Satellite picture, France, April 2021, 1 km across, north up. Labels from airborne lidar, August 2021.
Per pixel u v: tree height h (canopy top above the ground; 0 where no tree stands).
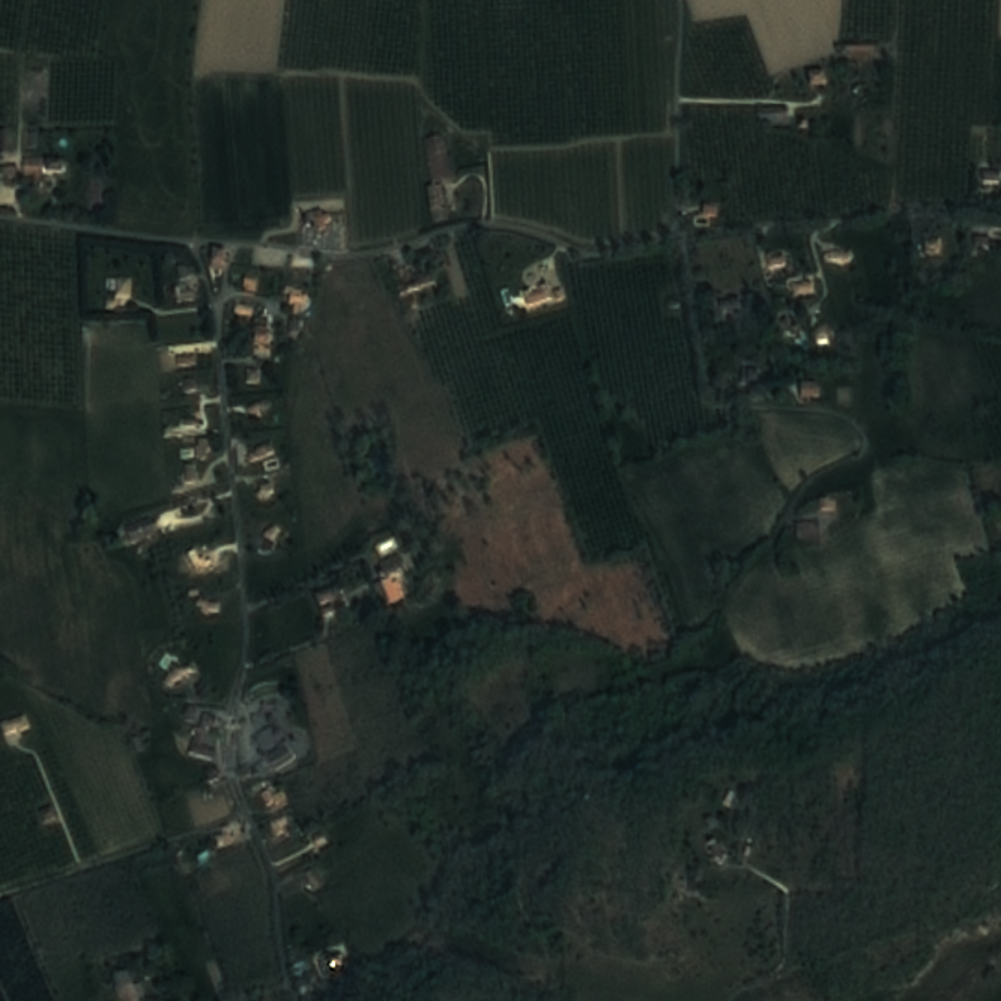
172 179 0
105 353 0
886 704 18
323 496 0
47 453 0
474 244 6
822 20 0
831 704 21
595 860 13
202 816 0
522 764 21
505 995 16
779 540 7
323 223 0
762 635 0
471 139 0
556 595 0
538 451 13
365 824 7
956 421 0
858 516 0
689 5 0
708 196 7
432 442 0
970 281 16
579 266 5
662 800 18
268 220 0
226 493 0
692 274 17
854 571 0
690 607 0
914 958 8
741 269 0
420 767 13
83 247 10
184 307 6
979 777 14
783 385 16
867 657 10
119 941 11
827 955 13
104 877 10
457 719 7
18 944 9
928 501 0
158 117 0
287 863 0
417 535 25
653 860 15
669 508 0
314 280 8
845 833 9
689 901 6
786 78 0
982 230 15
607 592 0
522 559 0
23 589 0
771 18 0
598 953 14
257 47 0
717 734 17
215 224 0
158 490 0
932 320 15
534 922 8
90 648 0
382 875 6
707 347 17
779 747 24
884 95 9
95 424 0
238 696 0
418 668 7
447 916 17
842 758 13
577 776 18
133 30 0
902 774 14
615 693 7
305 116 6
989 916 14
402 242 0
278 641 0
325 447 0
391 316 0
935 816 15
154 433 0
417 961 10
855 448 0
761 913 6
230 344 11
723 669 7
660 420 6
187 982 14
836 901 11
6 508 0
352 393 0
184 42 0
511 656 18
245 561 0
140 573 0
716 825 8
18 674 18
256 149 0
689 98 0
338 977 20
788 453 0
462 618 24
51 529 0
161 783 0
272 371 7
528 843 8
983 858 10
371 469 6
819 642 0
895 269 10
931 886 12
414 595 12
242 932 12
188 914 0
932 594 0
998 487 0
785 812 12
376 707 0
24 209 14
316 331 0
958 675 12
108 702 0
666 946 6
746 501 0
